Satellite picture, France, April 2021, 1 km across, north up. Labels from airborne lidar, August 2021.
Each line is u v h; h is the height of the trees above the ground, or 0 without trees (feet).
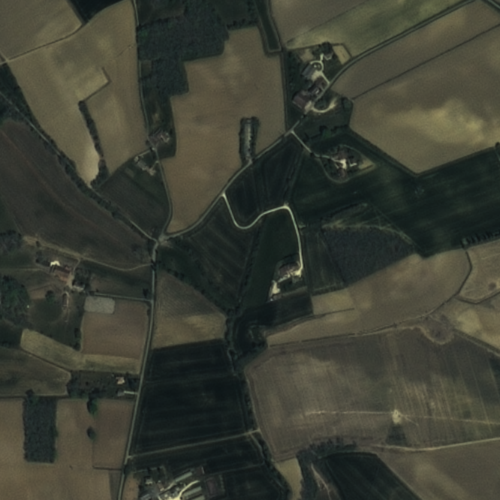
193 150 0
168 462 0
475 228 0
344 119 0
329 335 0
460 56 0
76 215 0
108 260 0
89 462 0
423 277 0
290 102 0
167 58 56
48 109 0
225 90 0
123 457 0
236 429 0
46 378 0
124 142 0
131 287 0
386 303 0
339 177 22
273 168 0
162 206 0
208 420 0
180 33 66
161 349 0
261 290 0
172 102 0
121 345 0
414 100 0
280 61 0
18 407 0
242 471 0
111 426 0
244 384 45
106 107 0
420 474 0
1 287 58
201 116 0
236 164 0
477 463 0
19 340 0
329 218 30
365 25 0
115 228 0
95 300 0
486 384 0
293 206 0
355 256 46
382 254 44
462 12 0
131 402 0
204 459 0
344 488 0
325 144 0
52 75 0
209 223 0
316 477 0
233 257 0
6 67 24
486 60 0
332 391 0
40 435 63
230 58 0
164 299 0
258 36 0
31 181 0
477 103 0
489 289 0
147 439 0
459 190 0
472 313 0
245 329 0
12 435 0
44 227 0
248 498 0
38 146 0
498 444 0
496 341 0
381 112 0
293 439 0
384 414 0
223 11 0
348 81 0
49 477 0
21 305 57
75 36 0
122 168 0
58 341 0
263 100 0
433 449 0
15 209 0
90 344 0
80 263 0
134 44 0
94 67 0
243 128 18
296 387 0
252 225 0
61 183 0
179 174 0
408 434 0
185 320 0
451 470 0
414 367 0
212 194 0
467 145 0
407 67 0
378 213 0
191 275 0
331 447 56
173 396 0
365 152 0
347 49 0
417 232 0
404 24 0
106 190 0
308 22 0
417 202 0
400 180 0
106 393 33
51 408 51
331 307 0
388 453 0
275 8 0
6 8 0
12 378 0
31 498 0
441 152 0
